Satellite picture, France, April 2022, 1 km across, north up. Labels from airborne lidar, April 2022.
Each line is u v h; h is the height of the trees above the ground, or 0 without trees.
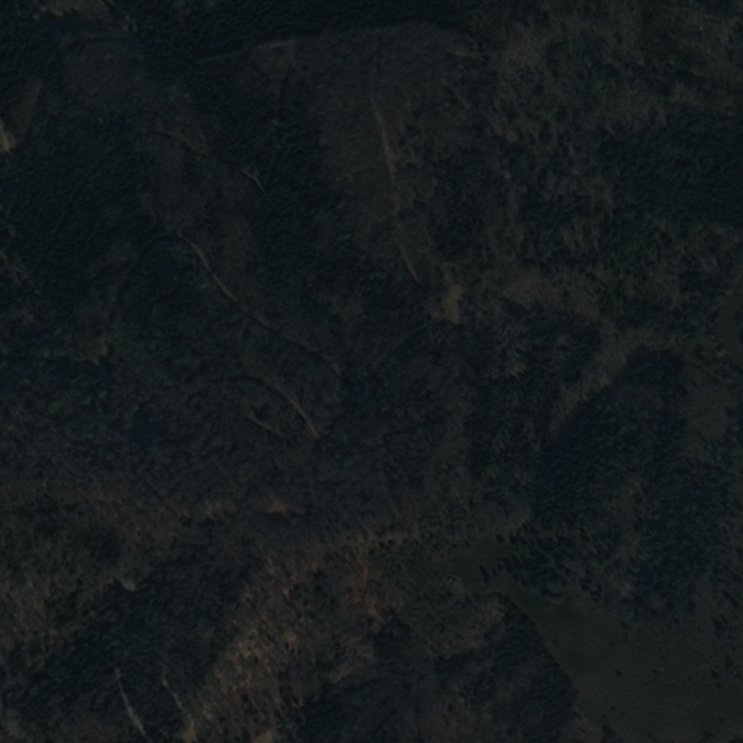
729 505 10
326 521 20
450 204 14
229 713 35
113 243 19
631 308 20
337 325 26
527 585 15
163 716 22
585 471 25
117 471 28
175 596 14
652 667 0
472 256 22
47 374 31
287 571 24
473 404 23
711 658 0
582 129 24
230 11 24
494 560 0
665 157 19
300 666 32
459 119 18
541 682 11
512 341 25
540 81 16
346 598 20
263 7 21
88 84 23
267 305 29
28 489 23
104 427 30
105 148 19
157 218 19
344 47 19
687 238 21
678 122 23
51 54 22
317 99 20
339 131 20
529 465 16
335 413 24
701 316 9
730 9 16
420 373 23
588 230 22
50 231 23
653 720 0
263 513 17
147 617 18
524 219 25
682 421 16
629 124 15
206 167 26
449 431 25
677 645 0
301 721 28
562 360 28
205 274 19
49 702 24
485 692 14
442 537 14
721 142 21
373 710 24
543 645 11
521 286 16
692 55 19
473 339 20
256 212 24
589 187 27
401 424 22
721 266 30
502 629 15
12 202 23
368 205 18
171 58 23
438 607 8
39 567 24
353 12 17
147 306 25
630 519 7
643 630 0
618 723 0
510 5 13
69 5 0
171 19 26
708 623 0
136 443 29
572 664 0
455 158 20
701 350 6
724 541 7
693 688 0
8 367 15
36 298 21
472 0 12
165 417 22
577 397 17
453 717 14
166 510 21
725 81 18
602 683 0
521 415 17
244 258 30
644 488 10
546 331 39
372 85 22
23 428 32
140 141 21
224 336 21
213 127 24
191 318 21
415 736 20
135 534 22
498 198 22
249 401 15
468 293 7
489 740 19
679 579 15
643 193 20
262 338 31
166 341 23
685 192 22
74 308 26
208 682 22
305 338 26
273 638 37
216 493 20
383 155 20
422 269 18
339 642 30
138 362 23
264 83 18
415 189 17
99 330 25
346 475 31
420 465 22
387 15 13
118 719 25
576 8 15
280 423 18
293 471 23
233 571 18
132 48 27
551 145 15
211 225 19
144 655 20
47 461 25
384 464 27
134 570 24
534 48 18
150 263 22
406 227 19
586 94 14
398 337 24
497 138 18
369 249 8
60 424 26
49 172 18
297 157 12
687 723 0
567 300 18
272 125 20
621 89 29
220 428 19
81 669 14
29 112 25
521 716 13
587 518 8
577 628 0
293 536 23
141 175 13
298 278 26
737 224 24
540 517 25
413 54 25
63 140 20
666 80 21
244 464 29
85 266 23
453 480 16
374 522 24
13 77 21
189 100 31
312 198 13
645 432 21
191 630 16
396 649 26
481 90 18
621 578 10
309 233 21
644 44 16
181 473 27
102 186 22
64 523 12
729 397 0
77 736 30
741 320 8
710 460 0
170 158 24
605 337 19
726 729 0
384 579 11
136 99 23
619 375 18
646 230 26
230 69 22
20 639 35
